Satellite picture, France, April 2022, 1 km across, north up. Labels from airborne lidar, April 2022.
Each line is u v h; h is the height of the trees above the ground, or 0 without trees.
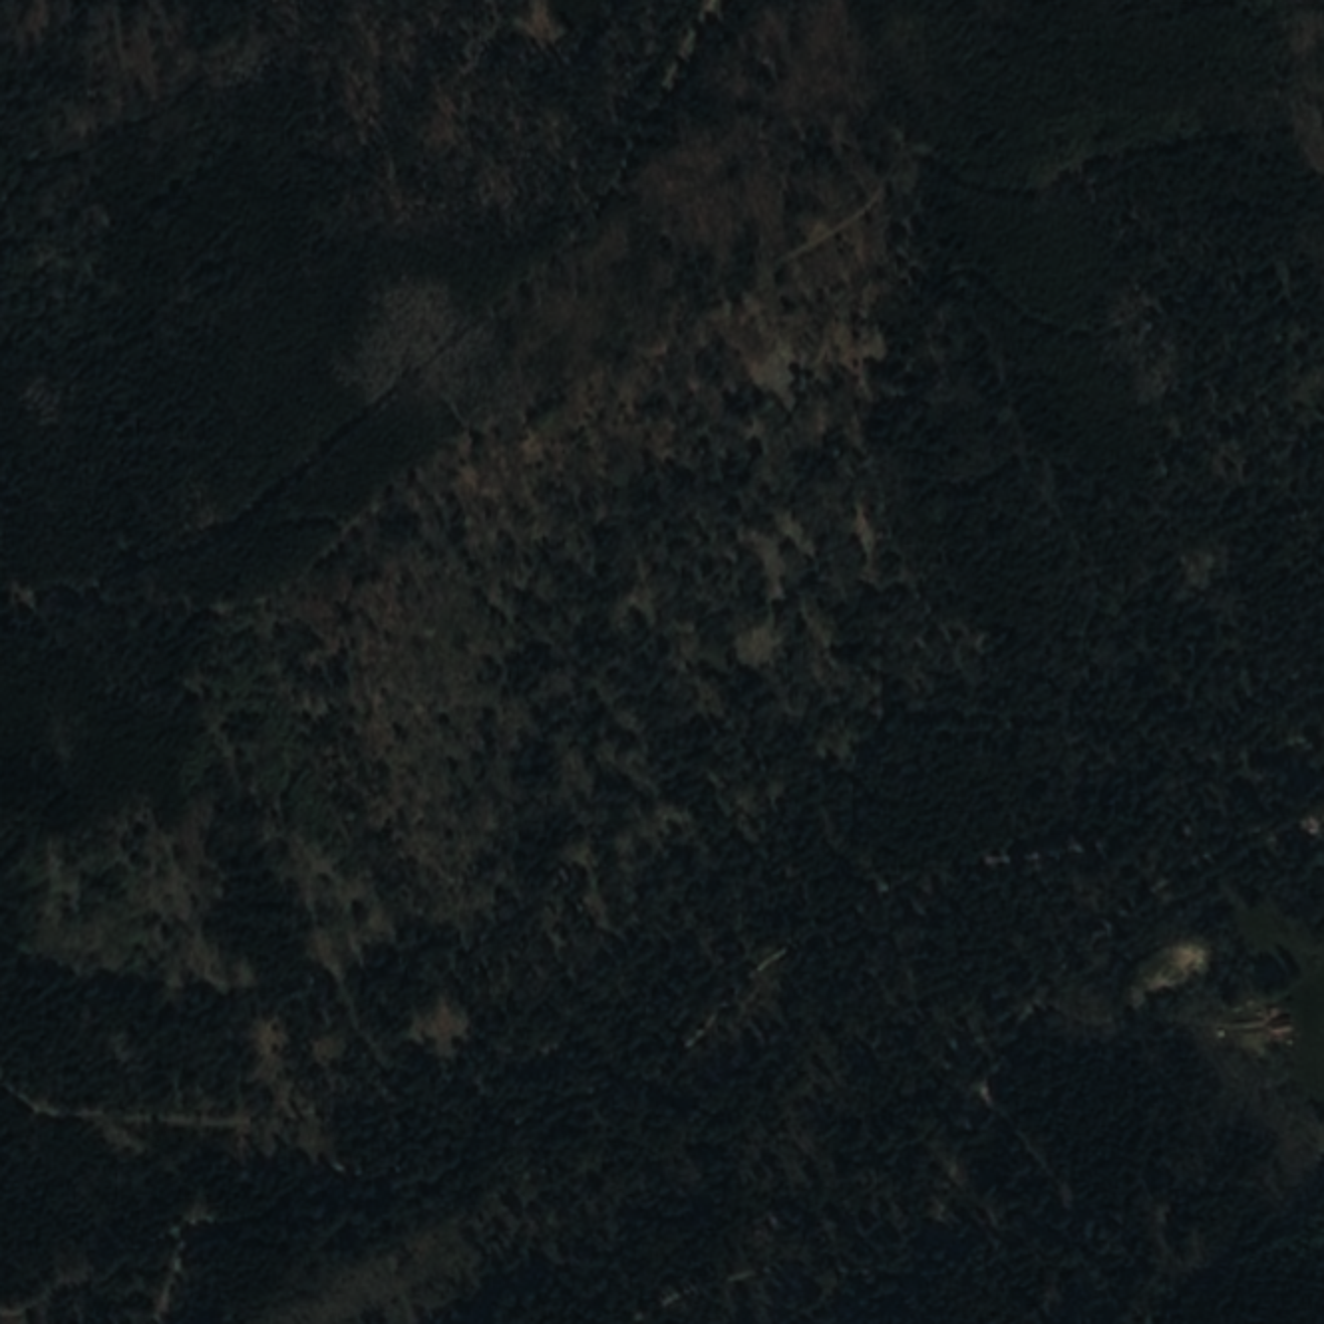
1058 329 15
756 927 36
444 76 27
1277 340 36
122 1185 14
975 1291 34
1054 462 28
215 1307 21
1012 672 28
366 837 30
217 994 27
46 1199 22
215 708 8
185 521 27
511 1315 35
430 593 35
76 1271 14
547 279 19
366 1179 40
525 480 24
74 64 17
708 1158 14
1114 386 13
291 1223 25
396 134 31
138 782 17
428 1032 6
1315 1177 17
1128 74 15
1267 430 33
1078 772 33
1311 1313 21
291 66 29
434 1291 11
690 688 25
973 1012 8
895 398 18
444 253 26
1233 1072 15
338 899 16
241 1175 24
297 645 9
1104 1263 37
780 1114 37
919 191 23
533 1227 40
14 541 24
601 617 25
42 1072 31
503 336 20
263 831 19
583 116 32
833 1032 7
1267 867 37
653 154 10
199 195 22
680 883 33
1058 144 17
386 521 18
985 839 35
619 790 34
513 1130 28
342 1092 25
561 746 25
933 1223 0
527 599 29
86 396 22
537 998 32
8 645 18
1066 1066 25
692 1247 34
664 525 6
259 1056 33
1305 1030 0
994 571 31
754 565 32
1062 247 16
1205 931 19
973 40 13
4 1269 24
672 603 26
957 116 16
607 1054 23
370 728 14
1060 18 14
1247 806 32
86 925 12
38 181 26
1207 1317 12
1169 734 31
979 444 30
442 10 25
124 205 22
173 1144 9
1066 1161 21
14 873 18
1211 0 14
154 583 27
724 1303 37
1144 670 37
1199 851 41
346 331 24
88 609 27
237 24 25
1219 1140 17
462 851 14
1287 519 32
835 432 18
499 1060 30
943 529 31
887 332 11
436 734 20
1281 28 14
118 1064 28
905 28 20
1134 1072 22
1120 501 27
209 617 19
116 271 21
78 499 24
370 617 25
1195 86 15
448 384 20
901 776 34
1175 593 30
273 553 22
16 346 20
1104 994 21
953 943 39
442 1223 12
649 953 30
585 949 30
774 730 31
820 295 10
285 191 22
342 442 27
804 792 34
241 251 22
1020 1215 42
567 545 35
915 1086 30
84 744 19
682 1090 11
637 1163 39
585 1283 36
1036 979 38
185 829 16
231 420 24
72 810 25
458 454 29
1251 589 28
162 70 24
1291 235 26
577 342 13
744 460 25
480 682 8
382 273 27
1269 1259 19
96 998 31
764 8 20
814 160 12
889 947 36
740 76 24
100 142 16
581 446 33
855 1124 16
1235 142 23
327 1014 34
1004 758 35
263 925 19
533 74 29
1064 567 29
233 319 27
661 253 12
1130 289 25
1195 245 27
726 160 17
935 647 34
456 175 35
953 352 20
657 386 24
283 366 22
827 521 33
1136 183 27
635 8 34
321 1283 14
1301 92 18
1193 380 32
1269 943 0
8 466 20
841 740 18
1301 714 32
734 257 21
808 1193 7
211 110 14
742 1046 8
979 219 17
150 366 26
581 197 20
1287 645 31
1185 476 27
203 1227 11
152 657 21
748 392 26
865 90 19
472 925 27
